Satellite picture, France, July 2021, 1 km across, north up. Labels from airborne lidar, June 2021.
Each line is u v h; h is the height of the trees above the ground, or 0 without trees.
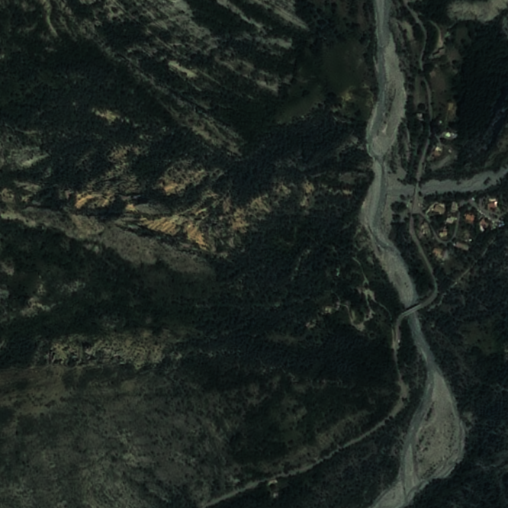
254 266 11
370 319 10
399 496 0
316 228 8
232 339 11
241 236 6
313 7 14
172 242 7
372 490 6
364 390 7
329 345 14
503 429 6
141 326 7
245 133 12
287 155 9
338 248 8
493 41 16
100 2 8
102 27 8
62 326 6
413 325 0
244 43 12
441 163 0
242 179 10
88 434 0
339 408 9
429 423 0
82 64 11
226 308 8
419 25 13
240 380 10
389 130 0
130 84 9
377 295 10
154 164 6
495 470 6
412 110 10
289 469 8
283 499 14
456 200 8
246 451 8
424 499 6
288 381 7
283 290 9
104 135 9
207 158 17
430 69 15
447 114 0
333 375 7
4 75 7
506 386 13
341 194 7
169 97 9
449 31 6
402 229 10
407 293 0
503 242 6
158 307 13
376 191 0
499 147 8
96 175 6
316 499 7
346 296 7
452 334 10
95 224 0
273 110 10
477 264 6
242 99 9
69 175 11
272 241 8
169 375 7
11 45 7
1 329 10
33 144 10
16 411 0
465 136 8
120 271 7
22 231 7
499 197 9
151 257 0
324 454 10
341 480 9
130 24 13
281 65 10
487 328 9
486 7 0
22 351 9
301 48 11
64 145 13
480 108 17
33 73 11
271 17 9
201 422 7
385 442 7
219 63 8
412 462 0
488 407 9
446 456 0
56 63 6
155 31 6
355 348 14
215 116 14
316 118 12
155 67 11
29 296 9
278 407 6
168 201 7
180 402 8
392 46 0
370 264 6
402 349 10
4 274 7
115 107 11
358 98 0
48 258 13
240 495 8
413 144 6
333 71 0
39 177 10
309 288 13
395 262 0
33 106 13
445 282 10
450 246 8
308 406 11
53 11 6
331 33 22
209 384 9
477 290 9
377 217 0
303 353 14
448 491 11
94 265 10
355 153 10
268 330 10
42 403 0
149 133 10
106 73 9
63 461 0
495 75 16
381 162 0
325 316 8
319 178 11
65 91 8
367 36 12
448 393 0
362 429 6
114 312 10
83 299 6
